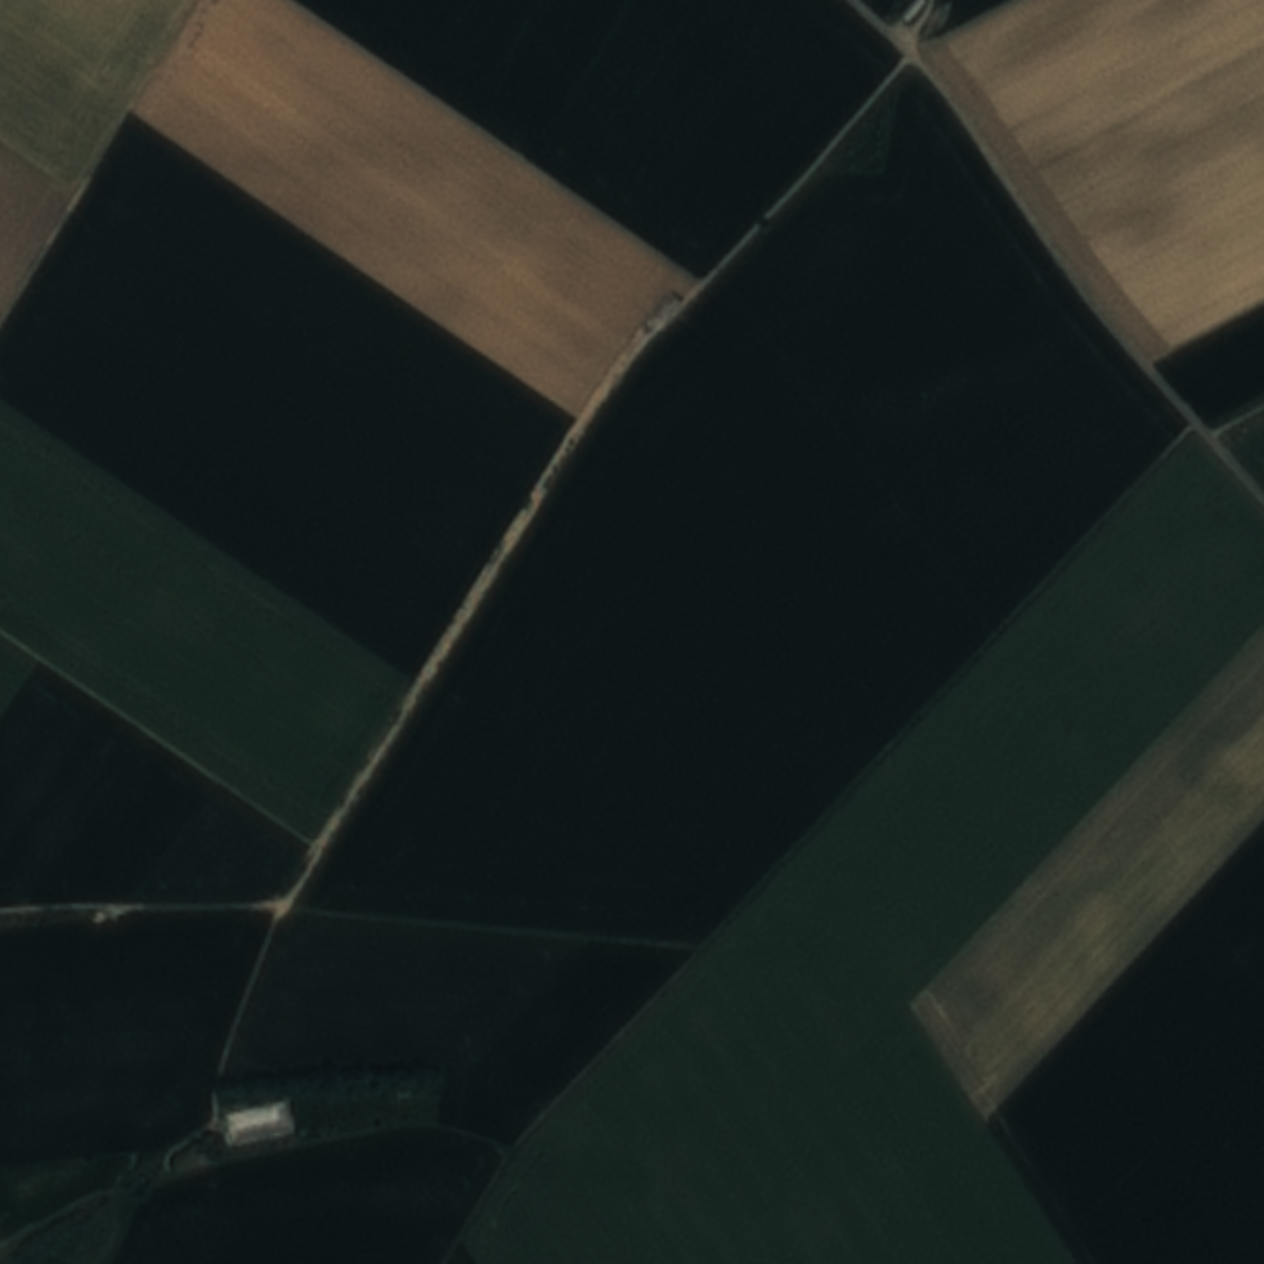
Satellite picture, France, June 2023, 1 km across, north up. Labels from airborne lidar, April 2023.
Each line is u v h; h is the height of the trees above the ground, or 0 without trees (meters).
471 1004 0
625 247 0
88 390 0
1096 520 0
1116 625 0
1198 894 0
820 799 0
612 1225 0
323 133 0
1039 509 0
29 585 0
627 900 0
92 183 0
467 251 0
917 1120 0
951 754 0
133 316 0
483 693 0
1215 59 0
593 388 0
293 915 0
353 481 0
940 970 0
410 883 0
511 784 0
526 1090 0
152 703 0
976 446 0
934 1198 0
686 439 0
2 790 0
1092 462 0
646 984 0
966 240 0
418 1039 0
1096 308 0
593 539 0
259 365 0
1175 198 0
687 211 0
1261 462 0
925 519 0
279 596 0
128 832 0
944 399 0
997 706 0
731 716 0
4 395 0
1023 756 0
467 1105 0
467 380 0
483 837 0
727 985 0
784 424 0
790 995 0
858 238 0
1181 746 0
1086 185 0
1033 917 0
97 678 0
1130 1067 0
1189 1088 0
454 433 0
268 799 0
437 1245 0
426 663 0
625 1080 0
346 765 0
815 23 0
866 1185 0
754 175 0
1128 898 0
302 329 0
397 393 0
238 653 0
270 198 0
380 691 0
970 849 0
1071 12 0
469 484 0
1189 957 0
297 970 0
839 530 0
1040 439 0
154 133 0
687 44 0
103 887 0
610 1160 0
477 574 0
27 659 0
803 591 0
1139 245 0
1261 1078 0
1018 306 0
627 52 0
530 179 0
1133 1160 0
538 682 0
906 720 0
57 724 0
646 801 0
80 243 0
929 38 0
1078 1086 0
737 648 0
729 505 0
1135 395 0
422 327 0
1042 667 0
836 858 0
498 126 0
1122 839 0
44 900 0
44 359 0
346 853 0
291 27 0
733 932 0
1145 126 0
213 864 0
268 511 0
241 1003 0
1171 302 0
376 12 0
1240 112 0
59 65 0
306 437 0
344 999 0
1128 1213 0
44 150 0
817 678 0
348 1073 13
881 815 0
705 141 0
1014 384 0
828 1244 0
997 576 0
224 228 0
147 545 0
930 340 0
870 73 0
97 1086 0
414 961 0
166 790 0
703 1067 0
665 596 0
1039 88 0
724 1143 0
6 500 0
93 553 0
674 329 0
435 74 0
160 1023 0
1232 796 0
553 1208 0
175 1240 0
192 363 0
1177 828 0
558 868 0
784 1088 0
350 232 0
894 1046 0
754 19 0
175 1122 0
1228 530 0
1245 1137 0
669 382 0
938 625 0
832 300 0
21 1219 0
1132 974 0
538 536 0
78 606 0
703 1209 0
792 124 0
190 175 0
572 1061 0
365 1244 0
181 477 0
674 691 0
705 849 0
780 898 0
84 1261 0
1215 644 0
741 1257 0
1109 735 0
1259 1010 0
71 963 0
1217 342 0
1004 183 0
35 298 0
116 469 0
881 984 0
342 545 0
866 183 0
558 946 0
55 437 0
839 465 0
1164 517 0
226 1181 0
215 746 0
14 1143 0
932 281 0
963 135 0
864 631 0
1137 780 0
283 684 0
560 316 0
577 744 0
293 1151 0
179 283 0
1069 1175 0
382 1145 0
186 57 0
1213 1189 0
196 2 0
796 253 0
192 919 0
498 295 0
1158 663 0
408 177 0
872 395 0
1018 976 0
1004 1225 0
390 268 0
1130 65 0
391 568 0
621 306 0
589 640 0
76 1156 0
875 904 0
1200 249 0
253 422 0
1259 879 0
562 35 0
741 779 0
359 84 0
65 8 0
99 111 0
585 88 0
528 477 0
